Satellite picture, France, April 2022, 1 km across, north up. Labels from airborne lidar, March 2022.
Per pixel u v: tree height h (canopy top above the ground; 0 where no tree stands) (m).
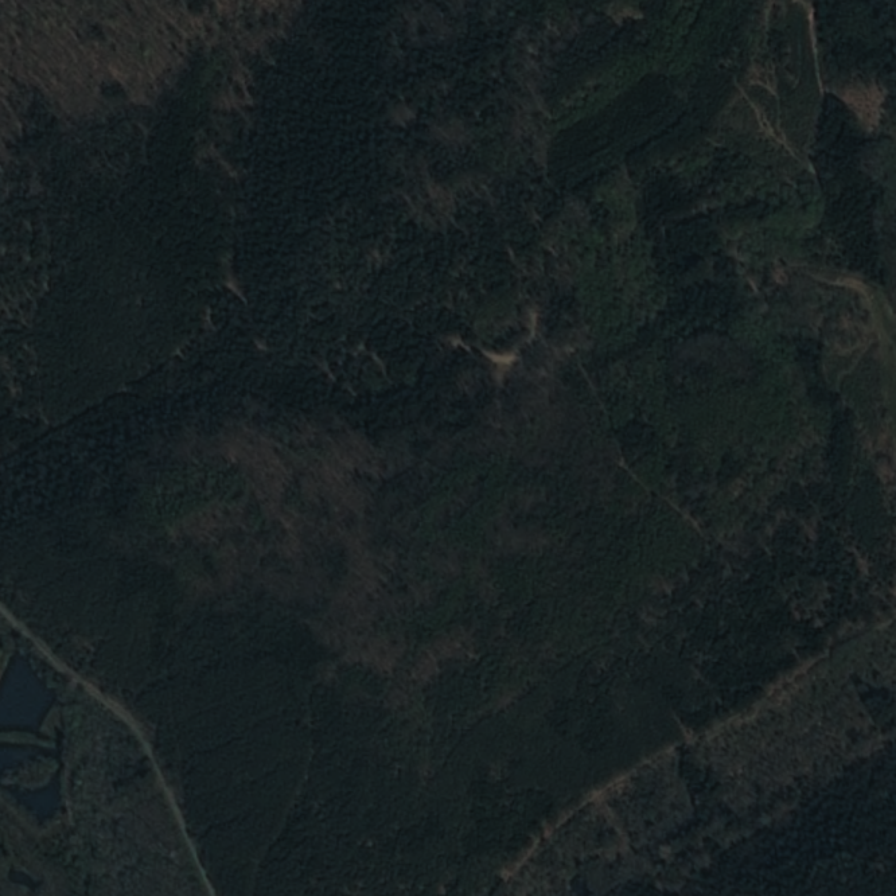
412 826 13
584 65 27
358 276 14
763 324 17
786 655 15
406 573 16
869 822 13
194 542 15
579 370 12
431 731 10
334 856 10
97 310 21
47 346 21
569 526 10
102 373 20
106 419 26
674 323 11
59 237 19
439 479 16
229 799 16
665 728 17
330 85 21
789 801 15
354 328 19
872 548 10
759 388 17
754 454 18
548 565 9
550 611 15
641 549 15
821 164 24
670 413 15
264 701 14
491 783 15
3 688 0
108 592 18
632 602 15
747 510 13
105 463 22
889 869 7
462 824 19
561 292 19
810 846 13
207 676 15
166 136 26
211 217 26
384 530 12
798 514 13
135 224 18
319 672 13
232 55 20
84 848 25
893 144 22
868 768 12
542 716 14
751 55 16
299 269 19
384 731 8
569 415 10
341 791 11
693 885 9
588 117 12
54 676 26
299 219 20
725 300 21
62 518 16
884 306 0
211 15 18
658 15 17
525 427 18
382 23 21
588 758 15
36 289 15
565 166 14
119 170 22
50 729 0
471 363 25
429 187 22
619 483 10
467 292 14
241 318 26
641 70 14
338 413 19
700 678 9
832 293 18
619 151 13
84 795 18
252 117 28
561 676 13
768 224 25
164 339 21
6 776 10
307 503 18
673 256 11
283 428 21
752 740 13
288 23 21
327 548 16
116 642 15
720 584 13
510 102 18
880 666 15
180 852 11
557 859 15
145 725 22
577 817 14
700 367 18
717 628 14
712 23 19
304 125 23
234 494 19
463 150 25
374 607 18
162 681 14
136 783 26
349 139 15
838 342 17
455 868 19
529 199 29
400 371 25
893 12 7
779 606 20
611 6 15
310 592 16
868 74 17
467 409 20
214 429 20
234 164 28
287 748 16
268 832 18
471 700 12
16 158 24
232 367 23
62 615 18
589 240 15
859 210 13
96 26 21
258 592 16
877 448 10
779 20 13
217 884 14
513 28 16
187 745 16
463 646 9
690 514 26
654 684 15
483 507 21
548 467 8
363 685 12
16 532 16
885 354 0
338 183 18
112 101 24
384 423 25
